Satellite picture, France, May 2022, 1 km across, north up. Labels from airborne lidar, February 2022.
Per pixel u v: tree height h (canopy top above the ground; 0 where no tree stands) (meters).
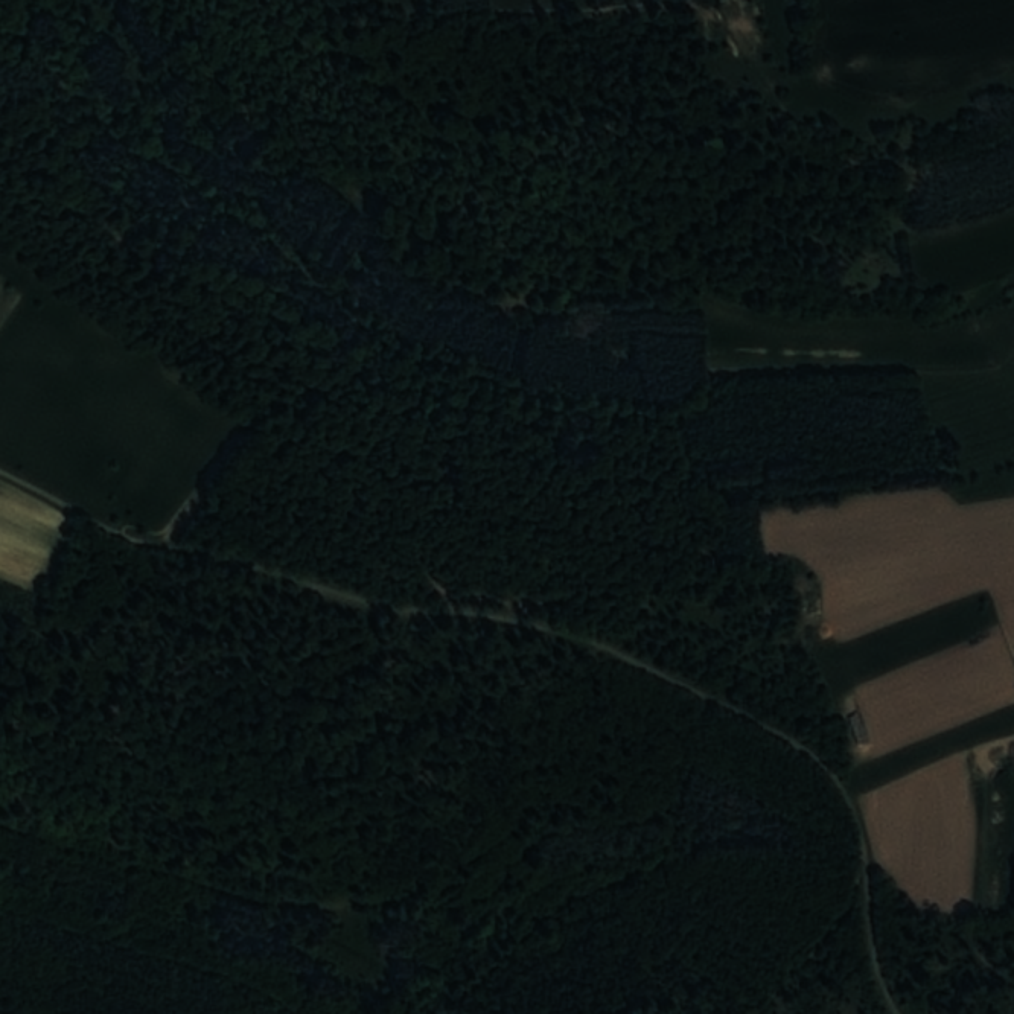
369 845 17
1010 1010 0
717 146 33
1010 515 0
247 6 26
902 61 0
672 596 17
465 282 33
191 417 0
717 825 28
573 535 30
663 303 29
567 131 31
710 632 15
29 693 35
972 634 0
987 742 0
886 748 0
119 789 32
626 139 31
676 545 29
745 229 24
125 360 0
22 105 38
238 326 33
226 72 35
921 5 0
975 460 0
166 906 11
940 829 0
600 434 36
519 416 31
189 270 35
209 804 32
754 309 31
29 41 24
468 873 21
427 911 36
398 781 32
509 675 33
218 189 29
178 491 0
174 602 36
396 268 36
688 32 26
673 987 8
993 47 0
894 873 0
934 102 0
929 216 23
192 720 31
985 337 0
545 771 32
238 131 33
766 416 18
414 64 13
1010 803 0
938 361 0
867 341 0
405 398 37
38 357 0
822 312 22
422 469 36
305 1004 20
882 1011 7
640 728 9
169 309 32
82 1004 19
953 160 26
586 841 21
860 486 24
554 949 7
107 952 17
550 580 26
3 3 37
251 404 26
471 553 25
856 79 0
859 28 0
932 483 27
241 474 25
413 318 31
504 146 27
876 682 0
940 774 0
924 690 0
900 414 24
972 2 0
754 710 15
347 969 0
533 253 34
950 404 0
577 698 7
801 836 21
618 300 38
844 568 0
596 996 18
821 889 14
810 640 0
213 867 11
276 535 15
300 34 31
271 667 30
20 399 0
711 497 29
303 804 31
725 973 15
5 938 19
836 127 17
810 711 12
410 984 30
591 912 9
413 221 31
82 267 27
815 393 18
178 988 16
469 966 12
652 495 36
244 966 18
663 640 15
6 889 17
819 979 7
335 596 0
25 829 10
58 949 20
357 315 25
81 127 26
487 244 30
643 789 18
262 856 41
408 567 28
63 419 0
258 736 31
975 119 21
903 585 0
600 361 23
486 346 33
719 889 11
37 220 32
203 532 27
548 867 15
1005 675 0
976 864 0
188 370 27
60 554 14
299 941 22
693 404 27
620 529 34
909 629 0
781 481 29
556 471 34
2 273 0
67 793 32
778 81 0
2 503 0
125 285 19
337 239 40
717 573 22
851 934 13
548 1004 17
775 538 0
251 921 33
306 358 37
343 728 32
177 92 21
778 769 20
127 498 0
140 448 0
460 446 37
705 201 24
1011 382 0
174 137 31
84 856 13
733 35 0
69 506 0
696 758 18
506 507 30
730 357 0
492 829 13
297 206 36
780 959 12
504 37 13
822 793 21
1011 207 20
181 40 34
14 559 0
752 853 21
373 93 26
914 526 0
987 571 0
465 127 32
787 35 0
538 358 27
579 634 31
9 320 0
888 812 0
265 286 35
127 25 31
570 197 25
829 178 20
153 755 31
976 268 0
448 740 34
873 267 0
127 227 23
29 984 18
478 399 32
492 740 30
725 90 14
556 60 18
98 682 6
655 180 32
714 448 17
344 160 32
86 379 0
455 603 26
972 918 25
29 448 0
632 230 26
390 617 30
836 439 20
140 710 30
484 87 7
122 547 10
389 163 38
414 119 33
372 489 31
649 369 28
